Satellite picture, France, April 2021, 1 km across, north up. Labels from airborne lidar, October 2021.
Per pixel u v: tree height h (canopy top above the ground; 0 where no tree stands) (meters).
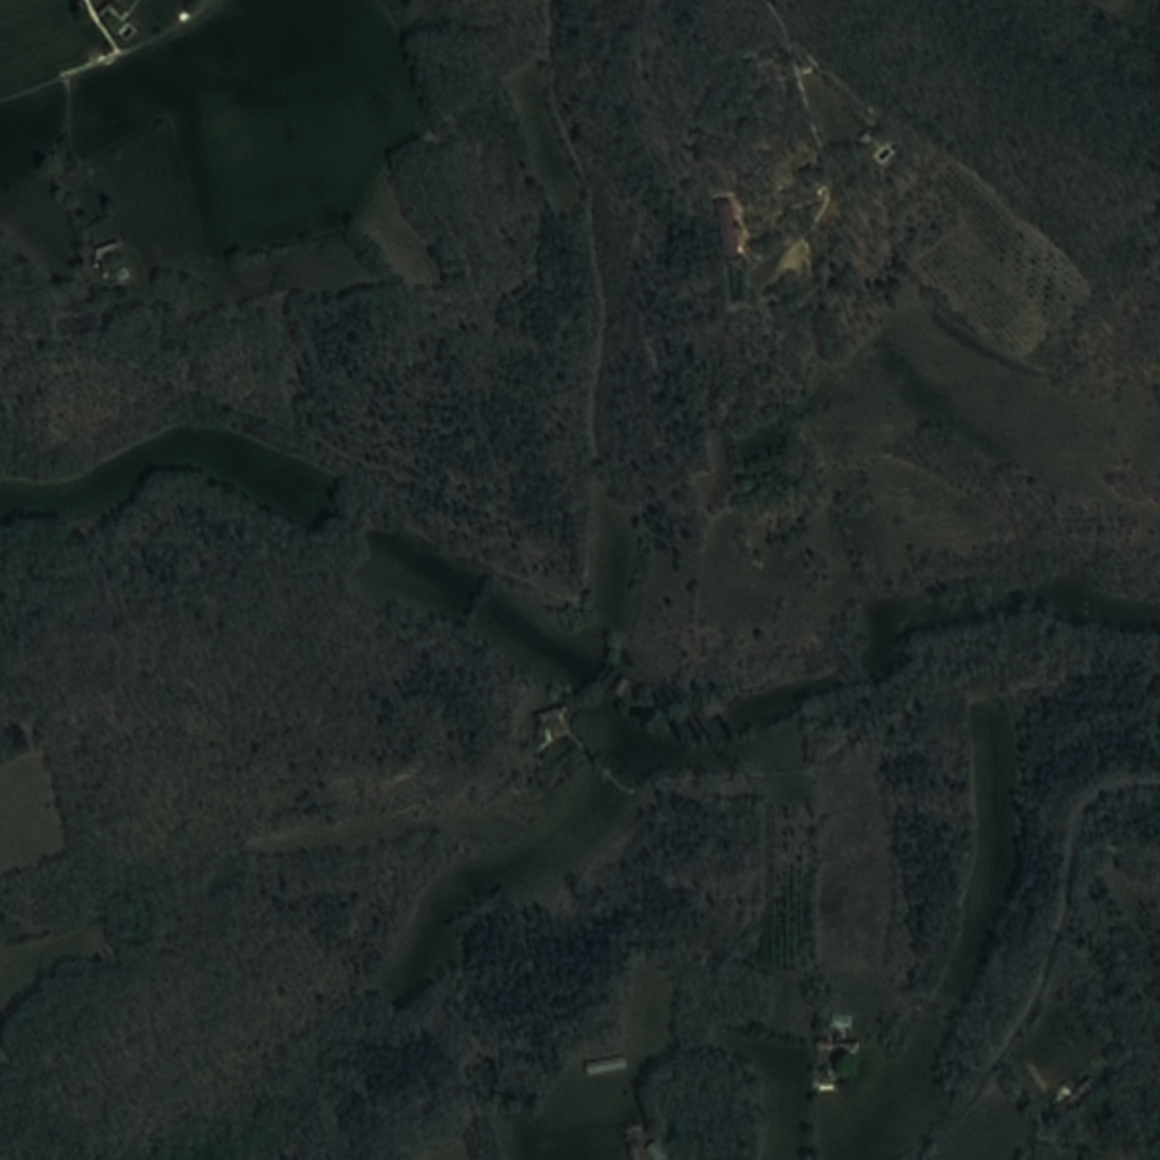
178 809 13
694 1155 26
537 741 6
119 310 6
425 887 11
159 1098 14
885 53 18
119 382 13
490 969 12
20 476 14
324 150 0
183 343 17
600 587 0
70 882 15
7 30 0
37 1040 18
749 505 12
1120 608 0
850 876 0
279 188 0
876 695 11
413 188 14
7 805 0
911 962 9
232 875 12
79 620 12
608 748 0
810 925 13
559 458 10
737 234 11
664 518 16
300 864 14
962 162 10
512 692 12
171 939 12
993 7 19
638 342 9
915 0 19
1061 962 19
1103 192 15
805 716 18
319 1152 15
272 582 10
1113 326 12
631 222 10
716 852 6
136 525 12
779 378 12
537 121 0
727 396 12
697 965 10
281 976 8
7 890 14
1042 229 12
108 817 14
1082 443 0
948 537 0
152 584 8
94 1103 13
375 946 8
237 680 10
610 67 9
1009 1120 0
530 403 10
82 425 9
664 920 11
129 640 11
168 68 0
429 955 0
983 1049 16
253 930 9
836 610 0
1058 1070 0
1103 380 8
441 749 6
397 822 0
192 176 0
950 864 15
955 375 0
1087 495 0
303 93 0
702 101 11
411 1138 14
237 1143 19
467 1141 12
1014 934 14
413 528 14
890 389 0
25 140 0
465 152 13
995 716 0
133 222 0
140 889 17
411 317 13
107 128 0
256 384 13
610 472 14
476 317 8
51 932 10
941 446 15
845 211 12
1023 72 21
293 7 0
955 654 14
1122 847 13
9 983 0
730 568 0
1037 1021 8
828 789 0
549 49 8
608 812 0
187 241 0
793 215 12
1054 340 8
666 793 10
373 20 0
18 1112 18
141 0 0
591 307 14
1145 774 15
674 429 7
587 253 15
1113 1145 16
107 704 10
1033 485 12
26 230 0
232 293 0
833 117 0
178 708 11
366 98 0
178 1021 11
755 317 11
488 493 9
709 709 31
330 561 16
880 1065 0
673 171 12
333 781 0
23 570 12
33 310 19
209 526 12
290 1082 22
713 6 14
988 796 0
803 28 15
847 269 15
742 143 15
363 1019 17
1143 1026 14
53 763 13
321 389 12
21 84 0
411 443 8
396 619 12
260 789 8
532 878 0
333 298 7
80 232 10
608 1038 15
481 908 11
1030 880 17
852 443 0
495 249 10
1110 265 11
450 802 0
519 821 0
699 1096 25
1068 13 11
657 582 0
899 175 14
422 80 15
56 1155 21
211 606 7
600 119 11
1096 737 7
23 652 13
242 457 0
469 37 16
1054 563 18
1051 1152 12
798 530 10
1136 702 11
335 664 13
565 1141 0
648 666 0
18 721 13
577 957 12
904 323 0
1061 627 19
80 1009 16
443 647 10
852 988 0
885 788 8
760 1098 23
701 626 8
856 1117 0
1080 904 17
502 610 0
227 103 0
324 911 8
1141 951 10
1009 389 0
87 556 14
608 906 9
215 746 6
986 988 14
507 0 9
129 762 11
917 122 13
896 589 14
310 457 12
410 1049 12
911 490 0
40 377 12
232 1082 9
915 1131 0
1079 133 15
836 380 0
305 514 0
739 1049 0
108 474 0
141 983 13
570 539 12
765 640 10
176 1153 18
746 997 18
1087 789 11
